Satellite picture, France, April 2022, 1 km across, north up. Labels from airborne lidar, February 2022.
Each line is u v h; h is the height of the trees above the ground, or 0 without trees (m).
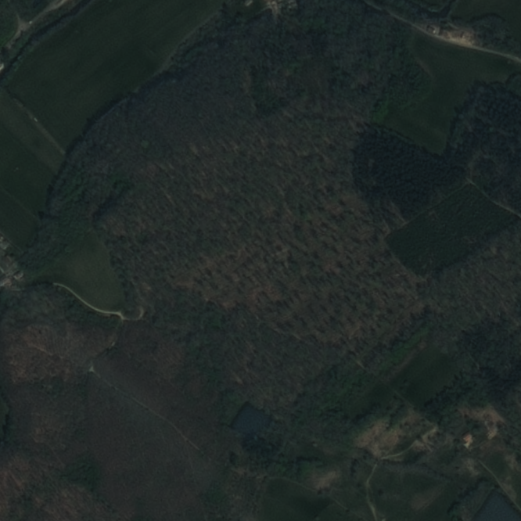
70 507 0
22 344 8
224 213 30
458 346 25
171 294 25
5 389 11
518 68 0
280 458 26
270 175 28
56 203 30
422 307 0
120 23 0
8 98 0
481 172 25
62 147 0
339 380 26
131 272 28
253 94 0
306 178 24
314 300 0
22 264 8
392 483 0
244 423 0
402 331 0
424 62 0
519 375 18
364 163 29
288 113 30
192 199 30
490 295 27
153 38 0
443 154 0
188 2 0
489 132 29
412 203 28
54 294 28
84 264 0
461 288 30
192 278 0
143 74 0
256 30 20
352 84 30
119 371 13
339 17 30
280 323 0
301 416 21
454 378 0
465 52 0
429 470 18
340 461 0
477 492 18
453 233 6
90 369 0
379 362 30
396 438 0
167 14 0
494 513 0
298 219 27
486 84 0
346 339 29
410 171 30
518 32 0
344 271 28
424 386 0
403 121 0
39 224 0
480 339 26
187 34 0
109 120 26
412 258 6
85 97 0
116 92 0
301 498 0
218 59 28
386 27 27
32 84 0
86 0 0
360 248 26
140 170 29
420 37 0
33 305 28
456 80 0
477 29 21
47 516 0
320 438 26
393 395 0
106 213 20
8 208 0
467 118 20
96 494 0
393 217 29
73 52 0
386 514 0
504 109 27
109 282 0
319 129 27
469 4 0
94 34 0
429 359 0
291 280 32
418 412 13
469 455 0
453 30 0
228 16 22
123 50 0
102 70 0
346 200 0
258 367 26
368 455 18
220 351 23
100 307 0
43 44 0
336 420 28
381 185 26
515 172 27
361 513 0
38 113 0
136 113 21
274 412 20
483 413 0
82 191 19
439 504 0
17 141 0
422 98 8
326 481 0
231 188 30
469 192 6
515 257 29
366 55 18
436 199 25
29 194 0
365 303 27
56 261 10
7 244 8
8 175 0
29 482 0
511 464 0
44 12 0
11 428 15
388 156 31
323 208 28
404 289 29
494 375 26
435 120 0
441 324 27
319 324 31
